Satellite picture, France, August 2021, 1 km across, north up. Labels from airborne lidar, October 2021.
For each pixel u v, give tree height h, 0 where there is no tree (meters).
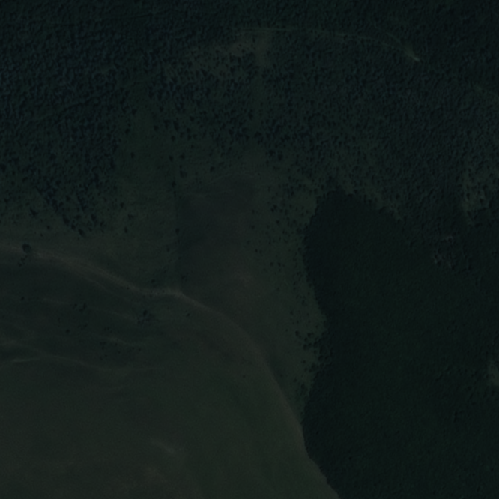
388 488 15
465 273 16
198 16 8
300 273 7
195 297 0
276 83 8
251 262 0
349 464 15
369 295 19
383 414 18
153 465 0
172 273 0
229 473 0
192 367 0
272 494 0
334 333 13
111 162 6
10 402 0
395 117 10
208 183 0
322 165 8
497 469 19
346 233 20
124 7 10
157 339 0
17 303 0
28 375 0
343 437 20
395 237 16
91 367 0
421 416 17
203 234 0
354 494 14
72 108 10
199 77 7
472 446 19
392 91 11
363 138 6
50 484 0
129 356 0
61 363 0
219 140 9
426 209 13
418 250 16
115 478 0
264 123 6
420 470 19
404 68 14
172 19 7
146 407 0
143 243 0
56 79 14
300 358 0
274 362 0
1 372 0
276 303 0
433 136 15
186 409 0
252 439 0
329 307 16
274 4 10
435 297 18
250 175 0
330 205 14
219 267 0
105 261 0
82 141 9
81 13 16
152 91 15
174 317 0
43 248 0
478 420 20
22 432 0
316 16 10
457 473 20
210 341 0
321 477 0
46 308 0
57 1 19
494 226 21
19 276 0
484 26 27
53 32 7
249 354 0
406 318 17
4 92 24
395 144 9
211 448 0
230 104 7
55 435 0
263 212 0
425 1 22
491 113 9
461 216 20
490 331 17
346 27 12
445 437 18
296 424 0
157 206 0
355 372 17
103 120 10
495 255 19
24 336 0
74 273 0
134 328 0
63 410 0
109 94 15
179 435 0
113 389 0
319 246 18
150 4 11
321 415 17
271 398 0
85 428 0
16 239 0
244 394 0
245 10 10
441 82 14
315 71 7
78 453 0
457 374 16
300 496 0
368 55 12
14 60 11
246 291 0
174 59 8
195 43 10
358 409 20
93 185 7
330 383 15
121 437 0
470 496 19
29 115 8
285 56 6
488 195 12
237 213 0
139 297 0
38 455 0
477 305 18
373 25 7
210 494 0
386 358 16
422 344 19
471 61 26
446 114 13
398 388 16
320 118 9
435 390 17
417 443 20
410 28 8
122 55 23
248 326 0
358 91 9
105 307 0
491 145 9
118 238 0
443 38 18
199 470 0
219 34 9
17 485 0
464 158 13
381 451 19
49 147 6
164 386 0
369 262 16
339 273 19
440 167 12
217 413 0
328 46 8
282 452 0
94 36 13
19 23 10
